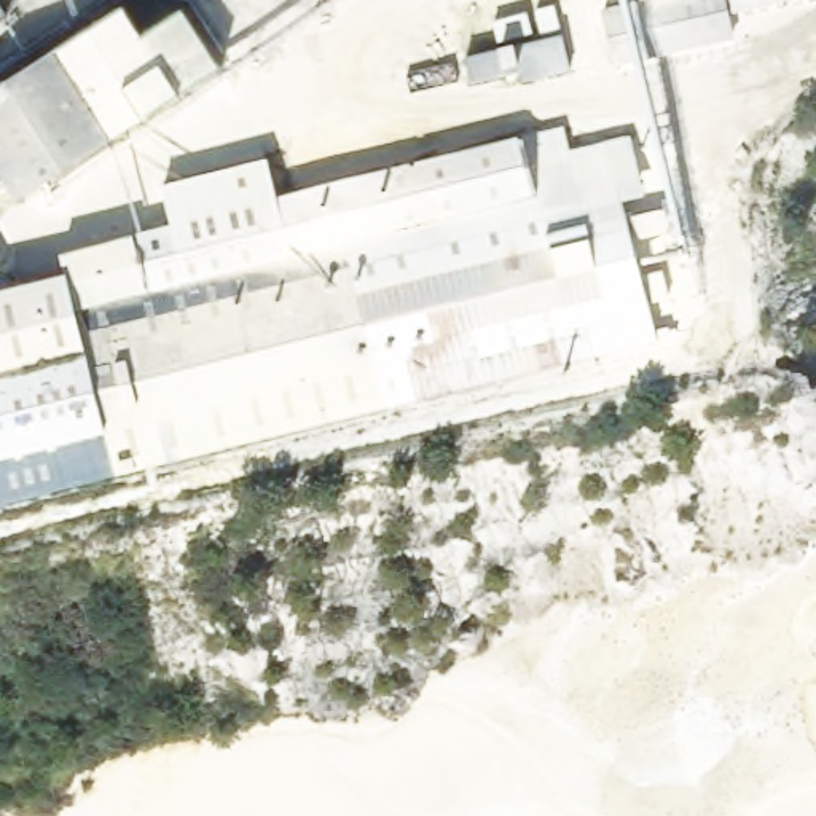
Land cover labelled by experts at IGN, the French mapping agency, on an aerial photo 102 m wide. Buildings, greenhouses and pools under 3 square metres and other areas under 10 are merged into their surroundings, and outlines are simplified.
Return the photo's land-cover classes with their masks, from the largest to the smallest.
<instances>
[{"label":"pervious surface","instance_id":"1","mask_svg":"<svg viewBox=\"0 0 816 816\"><path fill-rule=\"evenodd\" d=\"M510 0H0V83L16 77L19 70H26L29 64L61 48L64 41H70L73 35L96 26L115 10H124L137 32H147L166 16L182 13L191 22L201 45L207 48L210 61L223 64V80L198 99H191L188 105H182L172 118H166L163 128L118 150L99 153L96 159L83 163L61 191L35 194L0 217V290L57 277L64 268L61 255L67 252L166 226V207L156 201L163 198L169 182L245 163L265 159L271 169L274 191L290 194L312 185L411 166L421 159L462 153L500 140H523L532 134L539 137L542 131H561L567 147L574 150L625 137L631 143L634 166L644 169V188L650 191L644 198L625 201V233L634 249V268L641 274V293L650 322L653 328H666L650 347L653 363L644 367L628 389L641 402H650L657 414L673 408L669 418L676 424L685 421L695 427L698 453L692 472L682 475L679 462L663 453L660 434L647 427L634 430L628 440H618L612 446H599L590 437L587 421L599 414L606 402L622 405L628 389L618 386L609 392L587 395L571 373L545 370L539 379L494 386L481 395L440 402H421L414 395L402 408L363 411L357 418H341L332 424H312L303 430L220 446L201 456L147 465L143 472L89 481L73 491H54L48 497H35L29 504L0 510V539L35 529L38 539L51 542V564L99 558L102 551H128L137 558V564L147 567L143 580L156 657L169 666L172 679L198 673L204 685V701H217L220 692L236 689L242 682L252 695H277V720L239 730L230 746L188 740L140 749L102 762L99 768H83L77 775L70 768H54V787L35 806L38 816H816V284L806 277L794 281L784 274L787 252L781 233V201L797 179H803L806 153L816 150V131L797 137L791 131V115L797 96L803 92V83L816 80V6L765 35H752L743 22L730 26L727 16L660 26L657 32H650L647 0H561L574 35V64L564 73L539 80L497 77L485 83L456 80L437 89L411 92L408 67L414 61L456 54L462 48H469L472 54L497 51L494 35L488 29L497 19V6ZM446 424H456L462 434L456 472L446 481L411 475L408 485L392 488V459L398 453H421L424 430ZM335 449L341 453L347 472V491L338 497V513L328 516L316 507H287L284 520L268 516L265 523H258L245 545L252 551L271 555L281 539H322L325 583L319 590V606H354V628L341 638H332L322 631V622H309V634H296V615L287 602V587L284 580L268 577V609L261 615H252L245 628L261 631L265 625L281 622L284 641L281 647L236 653L226 625L210 622L207 609L194 602L191 590H185L182 555L188 548V539L207 532L210 539L220 536L223 523L236 516L233 478L245 475L255 459H277L284 453L290 459H319ZM395 504H405L414 513L408 558H427L434 564V583L424 602V618H434L437 606L449 602L453 622H446L443 641L408 647L402 653H383V647L376 644L379 612L392 599L389 590H383V583L376 580L379 548L373 542L383 536L389 507ZM389 669H408L411 685L379 695L376 676ZM338 679L363 685V708H347L332 695V685Z\"/></svg>","mask_w":816,"mask_h":816},{"label":"building","instance_id":"2","mask_svg":"<svg viewBox=\"0 0 816 816\"><path fill-rule=\"evenodd\" d=\"M494 35L497 51L472 54L469 48H462L456 54L414 61L408 67L411 92L437 89L456 80L485 83L497 77L539 80L564 73L574 64V35L561 0H510L497 6V19L488 29ZM650 32H657L660 26L727 16L730 26L743 22L752 35H765L816 6V0H647ZM223 80V64L210 61L207 48L201 45L191 22L182 13L166 16L147 32H137L124 10H115L96 26L73 35L70 41H64L61 48L29 64L26 70H19L16 77L0 83V217L35 194L61 191L83 163L96 159L99 153L118 150L163 128L166 118H172L182 105H188L191 99H198ZM650 191L644 188V169L634 166L631 143L625 137L574 150L567 147L561 131H542L539 137L532 134L523 140H500L462 153L421 159L411 166L312 185L290 194L274 191L271 169L265 159L245 163L169 182L163 198L156 201L166 207V226L67 252L61 255L64 268L57 277L0 290V510L29 504L35 497H48L54 491H73L89 481L143 472L147 465L201 456L220 446L303 430L312 424H332L341 418H357L363 411L402 408L414 395L421 402H440L481 395L494 386L539 379L545 370L571 373L587 395L609 392L618 386L628 389L644 367L653 363L650 347L666 328H653L650 322L641 293V274L634 268V249L625 233V201L644 198Z\"/></svg>","mask_w":816,"mask_h":816},{"label":"brushwood","instance_id":"3","mask_svg":"<svg viewBox=\"0 0 816 816\"><path fill-rule=\"evenodd\" d=\"M791 131L797 137L816 131V80L803 83V92L797 96L791 115ZM673 408L657 414L650 402H641L628 389L622 405L606 402L599 414L587 421L590 437L599 446H612L618 440H628L634 430L647 427L660 434L663 453L679 462L682 475L692 472L698 453L695 427L685 421L676 424L669 418ZM462 434L456 424H446L424 430L421 453H398L392 459V488L408 485L411 475L446 481L456 472ZM347 491V472L341 453L335 449L319 459H290L284 453L277 459H255L245 475L233 478L236 516L223 523L220 536L210 539L207 532L188 539V548L182 555L185 590H191L194 602L207 609L210 622L226 625L236 653L281 647L284 641L281 622L265 625L261 631L245 628L252 615H261L268 609V577L284 580L287 587V602L296 615V634H309V622H322V631L332 638H341L354 628V606H319V590L325 583L322 539H281L271 555L252 551L245 545L258 523H265L268 516L284 520L287 507H316L328 516L338 513V497ZM414 513L405 504H395L389 507L383 536L373 542L379 548L376 580L383 583V590H389L392 599L379 612L376 644L383 647V653H402L408 647L443 641L446 622H453L449 602L437 606L434 618H424V602L434 583V564L427 558H408ZM204 701V685L198 673L172 679L169 666L156 657L143 580L99 577L86 599L64 602L61 612L32 625L29 638L0 634V816H38L35 806L54 787V768H70L77 775L83 768H99L102 762L140 749L188 740L198 733ZM411 685L408 669H389L376 676L379 695ZM332 695L347 708H363V685L338 679L332 685Z\"/></svg>","mask_w":816,"mask_h":816},{"label":"herbaceous vegetation","instance_id":"4","mask_svg":"<svg viewBox=\"0 0 816 816\"><path fill-rule=\"evenodd\" d=\"M781 233L787 252L784 274L794 281L806 277L816 284V150L806 153L803 179H797L781 201ZM147 567L137 564V558L128 551H102L99 558L51 564V542L38 539L35 529L0 539V634L29 638L32 625L61 612L64 602L86 599L99 577L143 580ZM277 720V695H252L242 682L236 689L220 692L217 701H204L198 733L188 740L230 746L239 730Z\"/></svg>","mask_w":816,"mask_h":816}]
</instances>
